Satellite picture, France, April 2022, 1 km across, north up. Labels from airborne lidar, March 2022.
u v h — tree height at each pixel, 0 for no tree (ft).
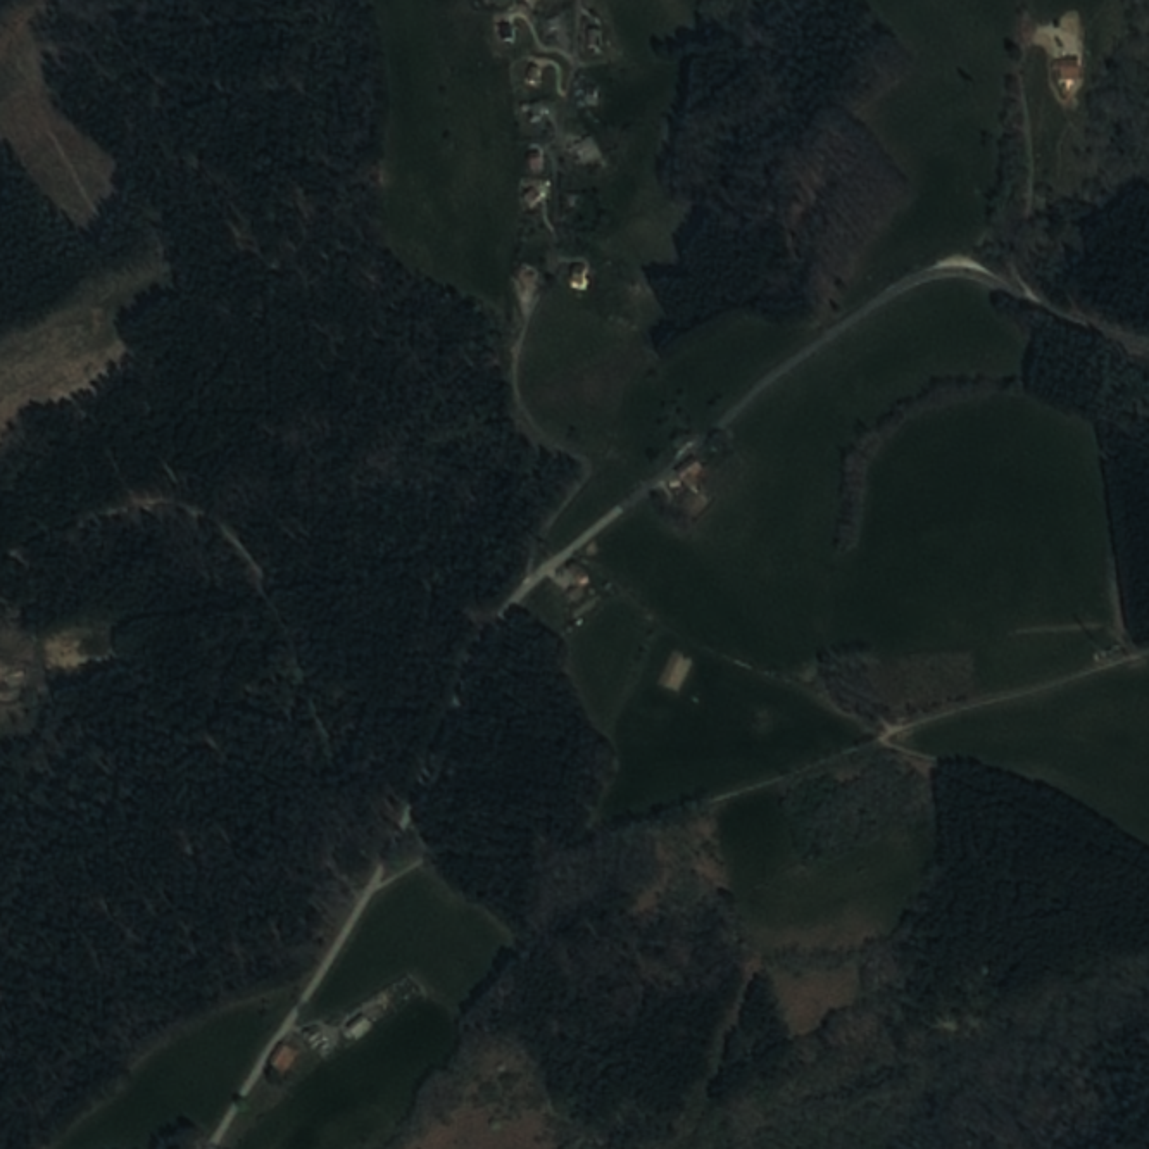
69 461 49
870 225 94
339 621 66
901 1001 60
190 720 62
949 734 0
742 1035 55
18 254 90
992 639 0
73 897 73
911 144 0
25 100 0
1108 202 85
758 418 0
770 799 0
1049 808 84
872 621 0
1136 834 0
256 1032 0
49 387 0
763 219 80
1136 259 80
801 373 0
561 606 0
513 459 59
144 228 94
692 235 0
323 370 59
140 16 48
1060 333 68
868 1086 46
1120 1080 62
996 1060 50
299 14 69
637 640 0
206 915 87
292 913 54
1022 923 68
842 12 102
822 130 90
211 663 59
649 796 0
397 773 84
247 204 60
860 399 0
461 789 60
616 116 0
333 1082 0
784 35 66
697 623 0
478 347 74
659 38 0
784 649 0
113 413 60
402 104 0
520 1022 79
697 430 23
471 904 30
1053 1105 45
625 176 0
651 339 0
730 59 98
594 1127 86
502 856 82
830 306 59
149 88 65
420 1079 0
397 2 0
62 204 0
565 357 0
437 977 0
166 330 86
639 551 0
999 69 0
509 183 0
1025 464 0
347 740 28
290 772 75
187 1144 58
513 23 0
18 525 60
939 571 0
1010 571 0
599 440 0
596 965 86
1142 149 69
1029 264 64
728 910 66
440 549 55
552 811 64
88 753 57
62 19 63
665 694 0
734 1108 62
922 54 0
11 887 70
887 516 0
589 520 0
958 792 73
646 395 0
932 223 0
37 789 31
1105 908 90
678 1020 76
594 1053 99
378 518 61
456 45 0
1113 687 0
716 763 0
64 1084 63
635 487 0
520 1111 45
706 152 85
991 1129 66
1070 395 63
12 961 83
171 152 65
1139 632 51
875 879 0
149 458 56
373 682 92
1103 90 46
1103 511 0
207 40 74
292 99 58
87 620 76
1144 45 56
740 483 0
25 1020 73
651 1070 82
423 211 0
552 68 0
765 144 75
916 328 0
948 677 0
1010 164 46
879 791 47
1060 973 70
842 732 0
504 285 0
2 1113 68
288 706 21
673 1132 57
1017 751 0
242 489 75
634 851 75
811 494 0
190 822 80
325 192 73
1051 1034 34
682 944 59
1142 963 76
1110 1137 50
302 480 71
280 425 63
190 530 72
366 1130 0
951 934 77
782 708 0
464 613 64
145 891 80
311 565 61
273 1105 0
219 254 70
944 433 0
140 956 77
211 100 38
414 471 80
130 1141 0
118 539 68
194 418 49
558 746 60
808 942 0
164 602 79
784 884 0
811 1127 51
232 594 59
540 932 61
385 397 68
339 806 69
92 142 85
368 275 61
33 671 0
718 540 0
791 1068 59
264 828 76
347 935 0
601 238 26
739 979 75
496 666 75
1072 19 0
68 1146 0
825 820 60
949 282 0
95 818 70
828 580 0
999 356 0
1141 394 75
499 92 0
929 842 0
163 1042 59
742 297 85
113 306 0
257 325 67
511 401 55
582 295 0
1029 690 0
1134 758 0
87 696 81
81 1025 44
